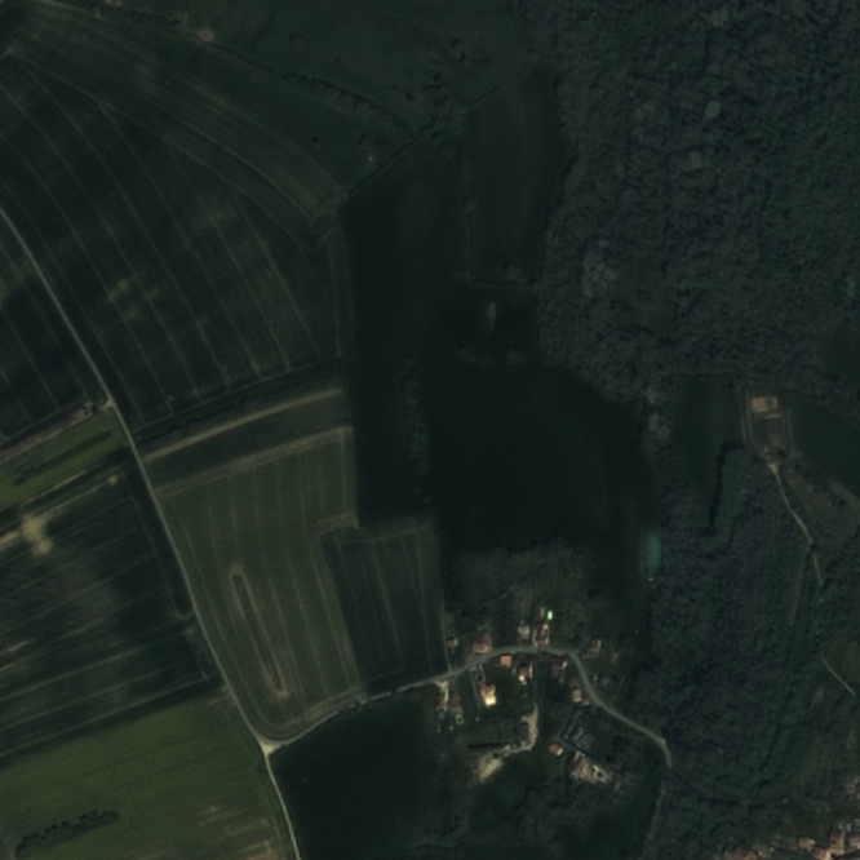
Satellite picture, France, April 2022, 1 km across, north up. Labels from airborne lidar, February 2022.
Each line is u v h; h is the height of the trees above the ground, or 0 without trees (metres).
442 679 0
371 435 0
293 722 0
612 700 0
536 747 0
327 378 7
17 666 0
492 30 0
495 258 0
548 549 14
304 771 0
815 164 14
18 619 0
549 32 21
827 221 12
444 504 0
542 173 0
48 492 0
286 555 0
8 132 0
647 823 0
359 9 0
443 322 0
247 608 0
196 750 0
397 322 0
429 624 0
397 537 0
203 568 0
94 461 0
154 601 0
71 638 0
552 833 22
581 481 0
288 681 0
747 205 20
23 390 0
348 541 0
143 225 0
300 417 0
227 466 0
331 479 0
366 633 0
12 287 0
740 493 21
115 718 0
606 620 0
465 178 0
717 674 26
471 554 0
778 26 22
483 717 0
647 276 0
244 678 0
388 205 0
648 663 0
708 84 25
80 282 0
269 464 0
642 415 16
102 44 0
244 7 0
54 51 0
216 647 0
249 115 0
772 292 22
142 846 0
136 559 0
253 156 0
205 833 0
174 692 0
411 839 0
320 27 0
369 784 0
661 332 0
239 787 0
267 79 0
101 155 0
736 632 17
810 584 5
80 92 0
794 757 10
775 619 14
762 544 19
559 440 0
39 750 0
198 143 0
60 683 0
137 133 0
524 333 0
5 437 0
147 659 0
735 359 7
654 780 0
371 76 0
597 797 18
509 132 0
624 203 24
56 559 0
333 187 0
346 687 0
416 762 0
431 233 0
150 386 0
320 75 0
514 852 0
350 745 0
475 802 0
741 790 16
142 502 0
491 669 0
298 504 0
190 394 0
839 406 15
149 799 0
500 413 0
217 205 0
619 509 0
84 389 0
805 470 11
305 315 0
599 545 0
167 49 0
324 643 0
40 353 0
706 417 0
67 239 0
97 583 0
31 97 0
